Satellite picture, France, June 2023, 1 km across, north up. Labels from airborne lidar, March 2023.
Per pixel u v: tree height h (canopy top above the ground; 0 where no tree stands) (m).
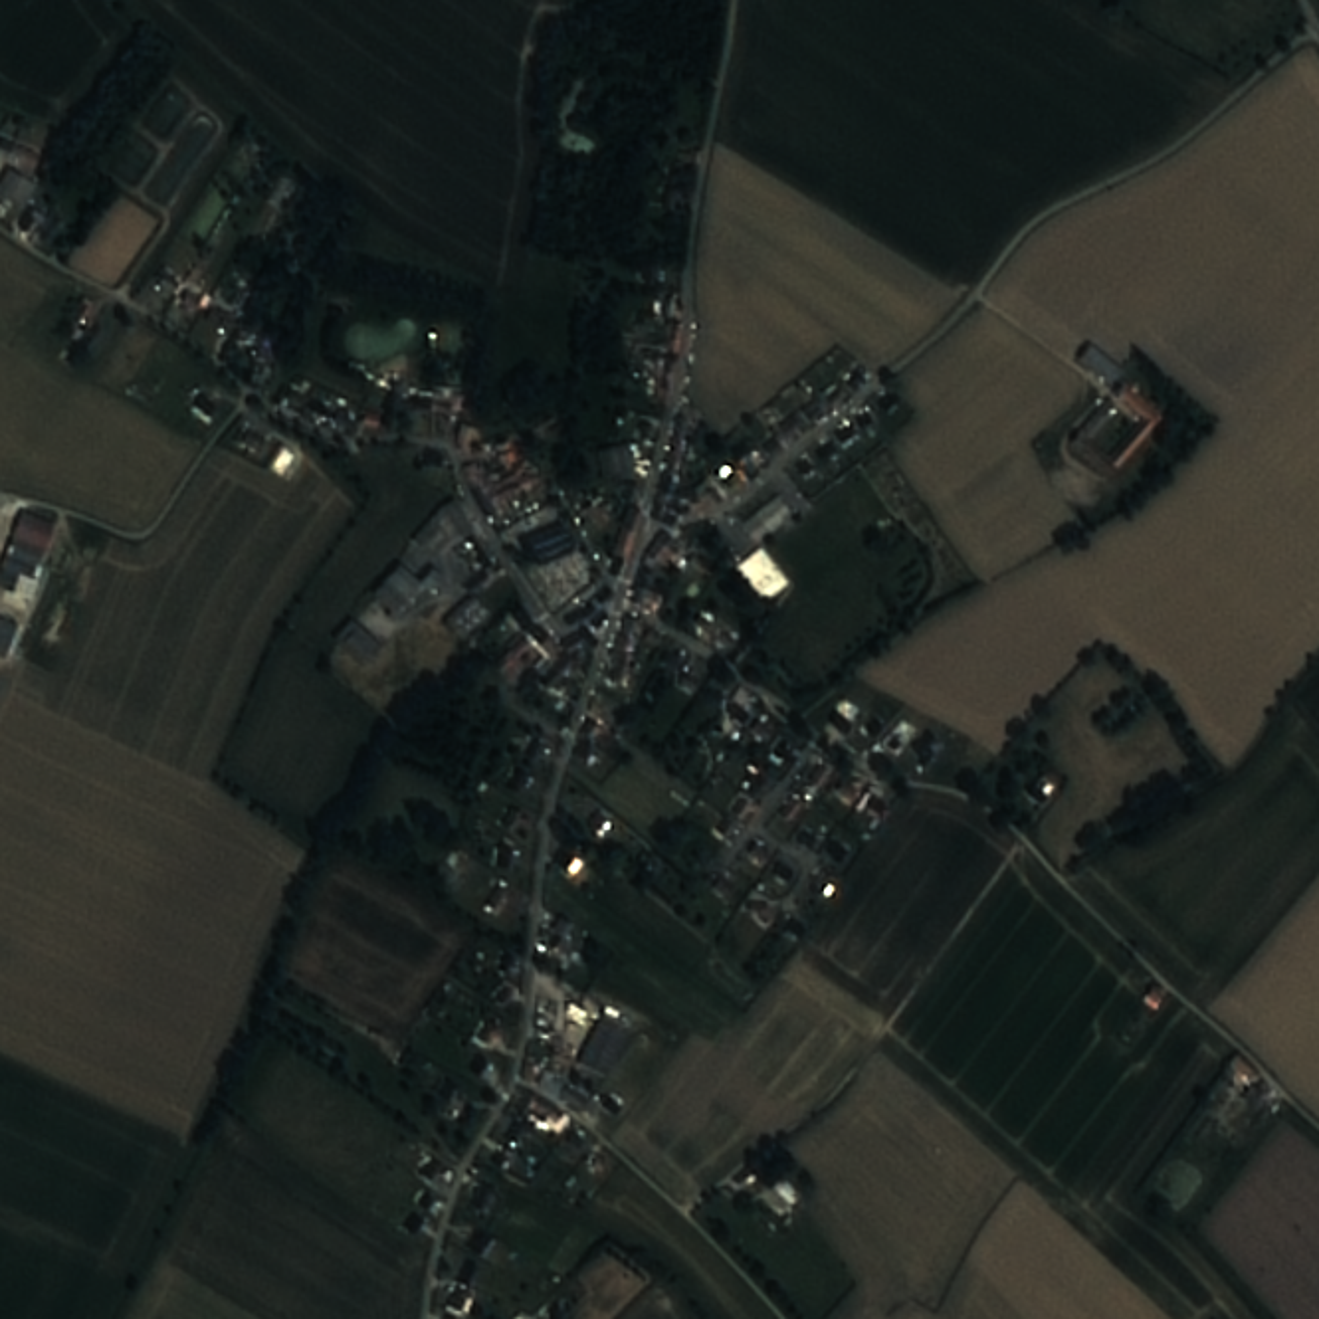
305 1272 0
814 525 0
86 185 13
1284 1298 0
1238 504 0
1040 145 0
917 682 0
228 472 0
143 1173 0
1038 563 0
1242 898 0
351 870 0
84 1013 0
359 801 18
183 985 0
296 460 0
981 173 0
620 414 7
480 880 0
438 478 0
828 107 0
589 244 10
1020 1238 0
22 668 0
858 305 0
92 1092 0
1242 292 0
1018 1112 0
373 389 0
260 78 0
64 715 0
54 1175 0
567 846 14
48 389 0
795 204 0
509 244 0
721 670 19
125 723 0
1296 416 0
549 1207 0
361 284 28
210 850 0
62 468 0
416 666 0
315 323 0
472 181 0
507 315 0
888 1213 0
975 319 0
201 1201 0
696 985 0
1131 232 0
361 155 0
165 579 0
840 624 0
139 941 0
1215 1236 0
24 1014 0
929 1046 0
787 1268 0
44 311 0
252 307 17
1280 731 0
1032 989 0
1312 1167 0
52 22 0
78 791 0
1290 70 0
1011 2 0
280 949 10
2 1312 0
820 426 0
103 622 0
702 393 0
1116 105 0
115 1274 0
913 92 0
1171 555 0
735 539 0
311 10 0
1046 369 0
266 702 0
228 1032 0
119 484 0
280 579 0
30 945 0
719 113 0
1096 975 0
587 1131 0
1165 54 0
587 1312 0
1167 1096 0
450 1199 0
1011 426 0
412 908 0
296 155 0
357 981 0
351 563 0
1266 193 0
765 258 0
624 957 0
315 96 0
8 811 0
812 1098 0
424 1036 0
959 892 0
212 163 0
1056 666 0
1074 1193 0
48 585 0
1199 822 0
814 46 0
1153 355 0
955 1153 0
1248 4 0
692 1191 0
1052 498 0
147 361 0
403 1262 0
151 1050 0
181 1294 0
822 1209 0
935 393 0
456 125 0
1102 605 0
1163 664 0
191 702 0
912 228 0
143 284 0
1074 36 0
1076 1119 0
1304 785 0
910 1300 0
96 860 0
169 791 0
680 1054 0
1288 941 0
